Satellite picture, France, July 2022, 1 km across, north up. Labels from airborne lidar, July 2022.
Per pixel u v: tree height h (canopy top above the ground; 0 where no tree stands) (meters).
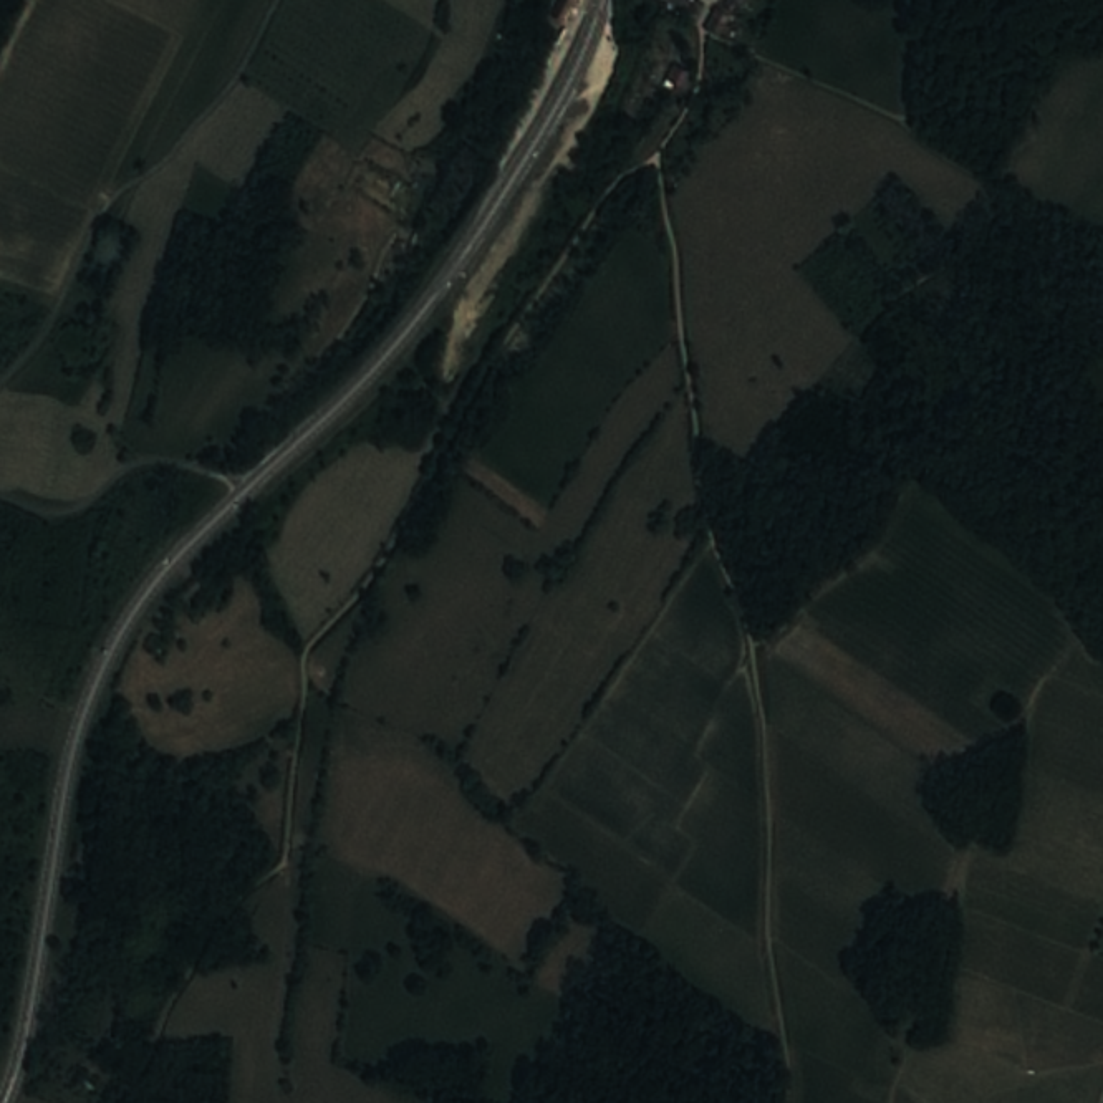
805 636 0
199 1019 0
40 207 0
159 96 0
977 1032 0
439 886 0
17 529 6
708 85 7
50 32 0
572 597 0
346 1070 6
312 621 0
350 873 0
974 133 21
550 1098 23
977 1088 0
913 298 9
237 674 0
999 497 24
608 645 0
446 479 24
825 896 0
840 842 0
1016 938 0
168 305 20
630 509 0
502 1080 0
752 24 7
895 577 0
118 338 0
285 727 14
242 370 0
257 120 0
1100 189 0
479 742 0
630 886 0
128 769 22
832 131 0
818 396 10
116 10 0
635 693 0
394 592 0
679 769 0
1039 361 20
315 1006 0
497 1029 0
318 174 0
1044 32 27
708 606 0
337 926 0
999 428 24
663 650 0
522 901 0
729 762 0
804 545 30
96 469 0
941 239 17
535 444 0
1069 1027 0
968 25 26
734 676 0
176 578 0
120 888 20
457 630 0
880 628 0
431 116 0
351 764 0
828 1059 0
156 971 10
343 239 0
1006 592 0
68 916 0
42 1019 14
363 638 13
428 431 13
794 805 0
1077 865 0
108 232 12
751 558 20
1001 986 0
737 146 0
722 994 0
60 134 0
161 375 6
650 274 0
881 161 0
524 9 16
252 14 0
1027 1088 0
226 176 0
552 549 0
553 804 0
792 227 0
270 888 0
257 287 18
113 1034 12
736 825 0
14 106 0
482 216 0
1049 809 0
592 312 0
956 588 0
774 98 0
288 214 7
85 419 0
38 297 0
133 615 0
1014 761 20
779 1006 0
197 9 0
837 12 0
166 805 24
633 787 0
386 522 0
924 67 21
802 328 0
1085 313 18
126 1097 15
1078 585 20
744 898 0
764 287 0
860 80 0
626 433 0
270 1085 0
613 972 22
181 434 0
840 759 0
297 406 15
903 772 0
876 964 22
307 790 0
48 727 0
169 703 9
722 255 0
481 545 0
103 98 0
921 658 0
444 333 8
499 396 19
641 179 16
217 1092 21
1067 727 0
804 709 0
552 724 0
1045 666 0
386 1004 0
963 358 25
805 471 29
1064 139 0
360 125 0
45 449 0
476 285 0
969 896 0
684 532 7
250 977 0
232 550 20
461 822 0
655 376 0
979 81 20
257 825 8
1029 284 24
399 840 0
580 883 16
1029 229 16
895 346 7
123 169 0
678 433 0
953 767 16
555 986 0
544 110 0
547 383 0
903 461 20
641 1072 30
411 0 0
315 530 0
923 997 21
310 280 0
